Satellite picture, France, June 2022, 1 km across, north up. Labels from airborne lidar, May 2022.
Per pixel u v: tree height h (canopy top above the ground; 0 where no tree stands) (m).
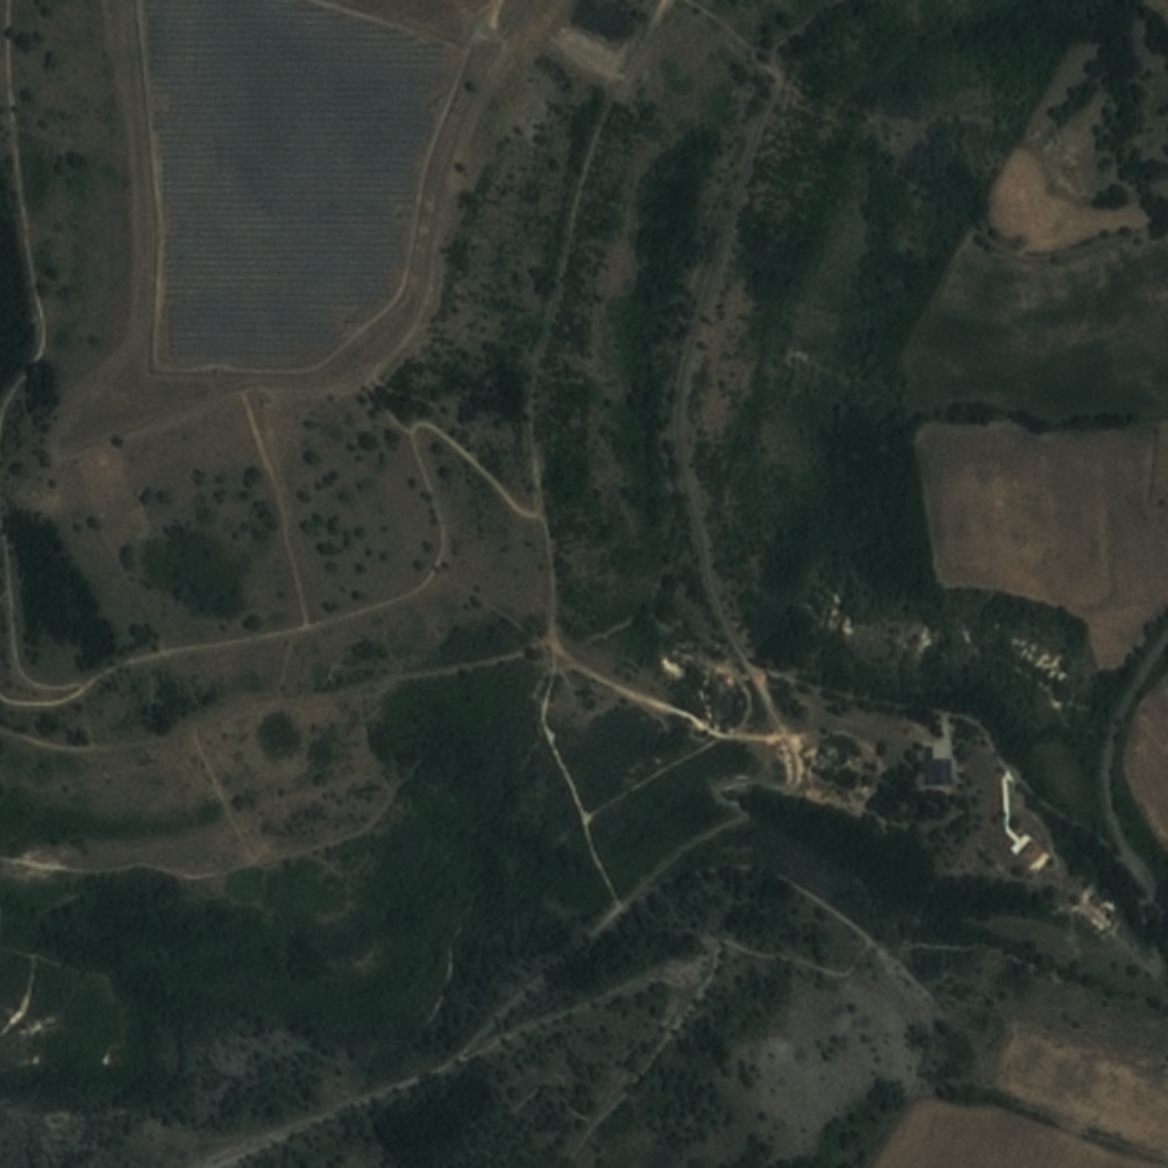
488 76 0
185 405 0
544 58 0
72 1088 10
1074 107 8
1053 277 0
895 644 7
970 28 10
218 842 0
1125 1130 0
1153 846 6
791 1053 0
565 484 7
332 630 0
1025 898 11
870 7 6
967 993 7
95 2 0
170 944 9
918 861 12
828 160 8
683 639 6
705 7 0
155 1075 8
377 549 0
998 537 0
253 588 0
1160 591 0
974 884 7
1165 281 0
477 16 0
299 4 0
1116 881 12
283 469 0
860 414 10
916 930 7
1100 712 8
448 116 0
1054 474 0
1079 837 12
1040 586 0
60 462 0
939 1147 0
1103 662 0
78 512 0
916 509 12
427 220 0
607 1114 0
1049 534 0
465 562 0
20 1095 14
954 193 10
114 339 0
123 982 11
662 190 5
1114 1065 0
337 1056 14
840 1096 0
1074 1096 0
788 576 10
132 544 0
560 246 9
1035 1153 0
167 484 0
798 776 0
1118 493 0
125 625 0
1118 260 0
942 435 0
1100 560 0
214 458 0
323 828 0
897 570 13
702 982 0
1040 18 8
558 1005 7
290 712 0
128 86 0
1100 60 5
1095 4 7
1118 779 7
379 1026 7
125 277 0
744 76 13
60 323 0
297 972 10
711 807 5
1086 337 0
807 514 9
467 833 11
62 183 14
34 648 9
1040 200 0
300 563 0
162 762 0
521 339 6
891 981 0
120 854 0
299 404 0
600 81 0
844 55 6
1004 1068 0
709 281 0
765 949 10
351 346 0
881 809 11
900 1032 0
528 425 11
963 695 10
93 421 0
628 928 14
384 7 0
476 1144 15
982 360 0
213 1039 7
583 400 7
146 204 0
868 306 6
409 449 0
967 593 8
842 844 10
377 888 7
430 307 0
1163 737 0
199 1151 0
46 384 14
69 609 12
